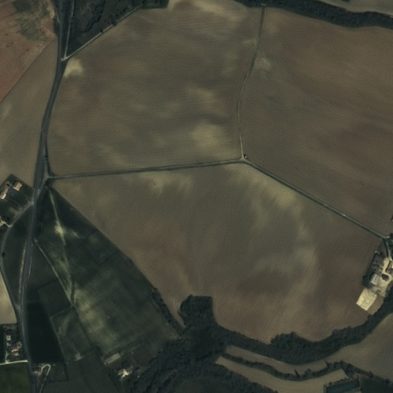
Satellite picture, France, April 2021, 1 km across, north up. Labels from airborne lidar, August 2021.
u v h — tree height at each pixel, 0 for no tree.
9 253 0
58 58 0
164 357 14
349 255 0
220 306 0
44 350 0
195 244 0
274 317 0
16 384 0
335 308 0
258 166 0
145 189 0
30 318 0
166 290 0
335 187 0
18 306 0
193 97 0
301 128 0
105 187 0
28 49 0
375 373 0
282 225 0
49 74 0
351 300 0
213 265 0
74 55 0
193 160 0
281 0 11
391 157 0
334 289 0
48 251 0
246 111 0
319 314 0
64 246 0
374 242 0
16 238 0
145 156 0
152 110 0
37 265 0
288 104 0
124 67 0
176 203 0
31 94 0
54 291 0
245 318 0
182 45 0
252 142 0
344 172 0
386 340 0
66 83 0
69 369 0
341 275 0
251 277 0
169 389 18
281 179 0
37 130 0
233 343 15
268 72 0
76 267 0
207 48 0
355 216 0
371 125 0
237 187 0
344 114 0
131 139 0
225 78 0
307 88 0
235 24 0
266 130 0
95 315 0
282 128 0
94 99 0
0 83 0
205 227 0
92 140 0
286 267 0
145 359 0
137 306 0
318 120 0
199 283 0
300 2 8
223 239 0
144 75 0
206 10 0
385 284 0
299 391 0
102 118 0
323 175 0
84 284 0
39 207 0
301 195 0
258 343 10
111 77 0
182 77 0
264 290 0
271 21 0
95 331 0
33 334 0
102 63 0
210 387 0
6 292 0
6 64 0
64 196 0
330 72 0
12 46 0
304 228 0
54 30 0
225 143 0
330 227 0
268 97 0
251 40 0
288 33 0
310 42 0
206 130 0
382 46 0
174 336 0
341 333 11
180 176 0
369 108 0
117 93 0
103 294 0
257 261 0
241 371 0
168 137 0
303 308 0
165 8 12
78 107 0
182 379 11
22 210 0
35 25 0
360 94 0
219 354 14
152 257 0
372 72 0
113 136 0
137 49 0
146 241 0
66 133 0
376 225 0
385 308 16
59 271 0
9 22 0
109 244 0
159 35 0
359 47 0
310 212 0
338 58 0
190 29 0
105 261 0
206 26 0
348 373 14
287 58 0
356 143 0
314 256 0
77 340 0
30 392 0
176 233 0
